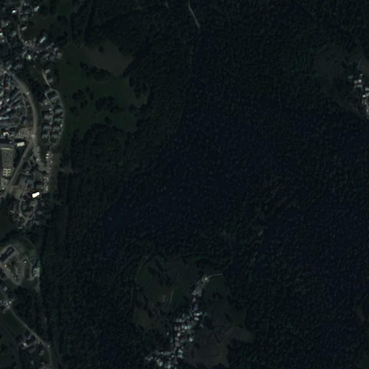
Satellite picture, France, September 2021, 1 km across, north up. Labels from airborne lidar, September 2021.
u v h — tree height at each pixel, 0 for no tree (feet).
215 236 41
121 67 0
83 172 71
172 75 116
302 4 58
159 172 85
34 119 0
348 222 67
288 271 60
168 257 66
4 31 37
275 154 77
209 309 0
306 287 67
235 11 68
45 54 0
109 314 75
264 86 86
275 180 83
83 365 64
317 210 57
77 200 75
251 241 37
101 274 93
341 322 58
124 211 101
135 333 77
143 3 87
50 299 64
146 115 93
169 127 83
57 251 74
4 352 55
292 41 93
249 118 49
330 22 89
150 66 81
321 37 68
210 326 40
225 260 58
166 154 95
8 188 0
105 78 63
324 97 76
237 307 53
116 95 0
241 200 80
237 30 104
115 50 0
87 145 72
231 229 71
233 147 66
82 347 70
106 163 77
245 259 43
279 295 75
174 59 94
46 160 0
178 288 0
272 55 74
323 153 58
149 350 0
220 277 0
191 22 66
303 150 71
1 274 20
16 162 31
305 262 42
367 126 0
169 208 30
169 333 25
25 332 0
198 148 38
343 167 63
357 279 58
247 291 55
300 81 73
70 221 67
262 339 59
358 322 61
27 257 0
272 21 84
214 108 43
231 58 81
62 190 42
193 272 0
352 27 90
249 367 56
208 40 109
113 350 91
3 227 0
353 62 0
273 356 59
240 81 59
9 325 0
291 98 73
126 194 69
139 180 96
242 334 0
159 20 82
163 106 90
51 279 71
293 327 81
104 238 27
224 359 0
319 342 83
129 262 43
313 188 71
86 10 57
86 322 52
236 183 73
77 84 0
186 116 108
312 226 64
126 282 30
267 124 59
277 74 66
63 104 0
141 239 77
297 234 82
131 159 64
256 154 73
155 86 79
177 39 85
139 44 85
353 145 70
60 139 0
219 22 93
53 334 51
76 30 64
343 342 54
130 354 93
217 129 54
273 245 50
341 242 86
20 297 62
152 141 97
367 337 72
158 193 27
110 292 51
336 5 78
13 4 0
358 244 107
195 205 70
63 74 0
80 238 64
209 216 114
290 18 109
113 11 85
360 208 74
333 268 54
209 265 66
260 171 79
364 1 68
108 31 71
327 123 93
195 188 91
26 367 63
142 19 85
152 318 45
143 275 0
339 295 67
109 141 65
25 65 21
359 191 71
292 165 66
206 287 0
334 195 65
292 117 74
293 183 82
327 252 18
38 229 24
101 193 75
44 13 61
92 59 0
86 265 43
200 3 73
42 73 0
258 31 107
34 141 0
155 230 101
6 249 0
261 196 74
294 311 83
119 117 0
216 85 87
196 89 58
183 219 96
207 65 89
